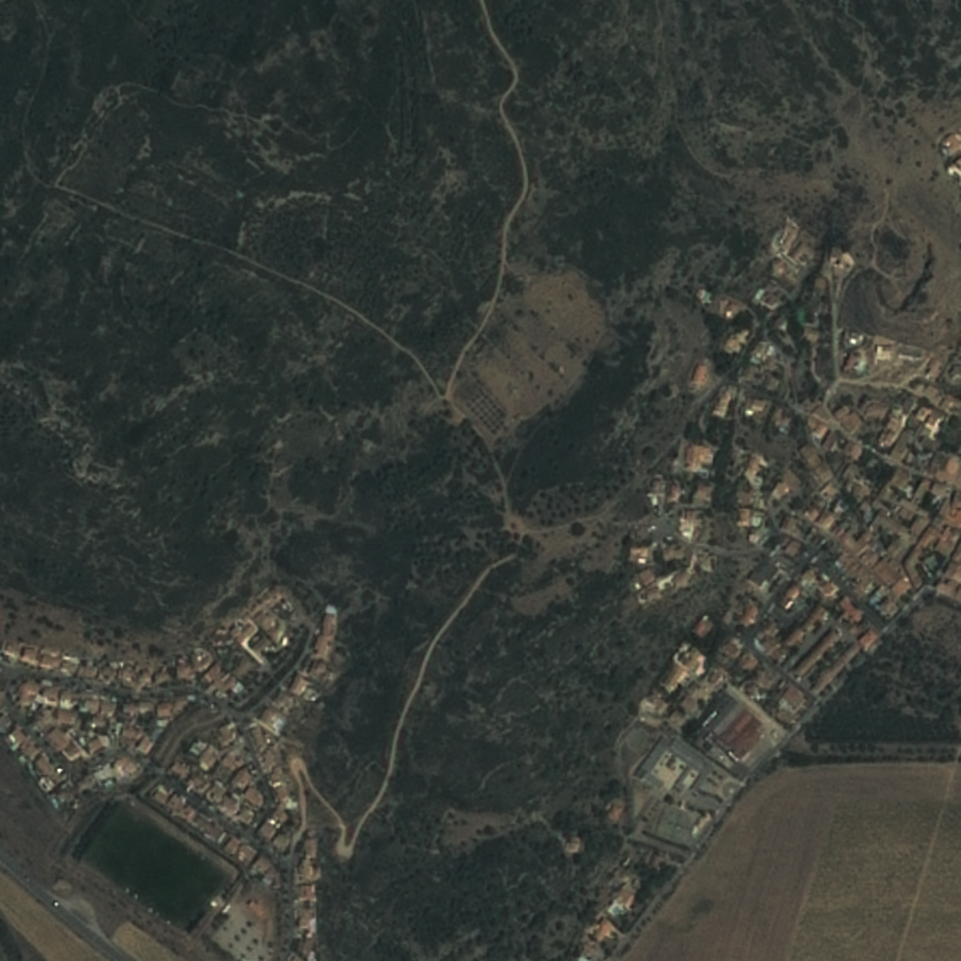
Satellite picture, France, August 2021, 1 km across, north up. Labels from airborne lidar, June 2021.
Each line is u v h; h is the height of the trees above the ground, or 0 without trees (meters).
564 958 7
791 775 0
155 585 0
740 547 0
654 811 0
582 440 0
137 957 0
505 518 0
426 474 12
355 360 0
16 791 0
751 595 5
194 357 9
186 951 0
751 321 10
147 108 0
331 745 0
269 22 0
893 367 0
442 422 7
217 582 0
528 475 10
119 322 0
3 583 0
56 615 0
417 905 0
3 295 0
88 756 0
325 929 0
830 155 0
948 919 0
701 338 0
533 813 0
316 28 0
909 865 0
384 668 0
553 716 0
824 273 0
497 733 0
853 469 0
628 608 0
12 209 0
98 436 0
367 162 0
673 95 0
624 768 0
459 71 0
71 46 0
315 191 0
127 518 0
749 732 0
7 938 0
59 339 0
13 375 0
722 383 0
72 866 0
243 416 0
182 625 0
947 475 0
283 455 0
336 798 0
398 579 0
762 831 0
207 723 0
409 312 0
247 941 0
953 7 0
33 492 0
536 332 0
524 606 0
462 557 10
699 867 0
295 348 0
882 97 0
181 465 0
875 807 0
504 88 0
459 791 0
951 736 6
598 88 6
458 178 0
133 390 0
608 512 0
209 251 0
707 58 0
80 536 0
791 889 0
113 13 0
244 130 0
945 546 0
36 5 0
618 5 0
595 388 0
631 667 0
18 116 0
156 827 0
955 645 0
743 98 0
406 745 0
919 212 0
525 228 0
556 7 0
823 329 7
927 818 0
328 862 0
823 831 0
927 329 0
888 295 0
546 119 0
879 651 6
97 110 0
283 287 0
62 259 0
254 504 0
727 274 0
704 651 8
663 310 0
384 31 0
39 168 0
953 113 0
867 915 0
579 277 0
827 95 0
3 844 0
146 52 0
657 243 0
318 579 0
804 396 7
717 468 8
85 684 0
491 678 0
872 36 0
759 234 0
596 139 0
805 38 0
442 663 0
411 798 0
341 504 0
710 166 0
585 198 0
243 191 0
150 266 7
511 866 0
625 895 0
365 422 0
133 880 0
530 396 0
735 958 0
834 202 5
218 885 0
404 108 6
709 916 0
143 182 0
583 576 9
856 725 6
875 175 0
